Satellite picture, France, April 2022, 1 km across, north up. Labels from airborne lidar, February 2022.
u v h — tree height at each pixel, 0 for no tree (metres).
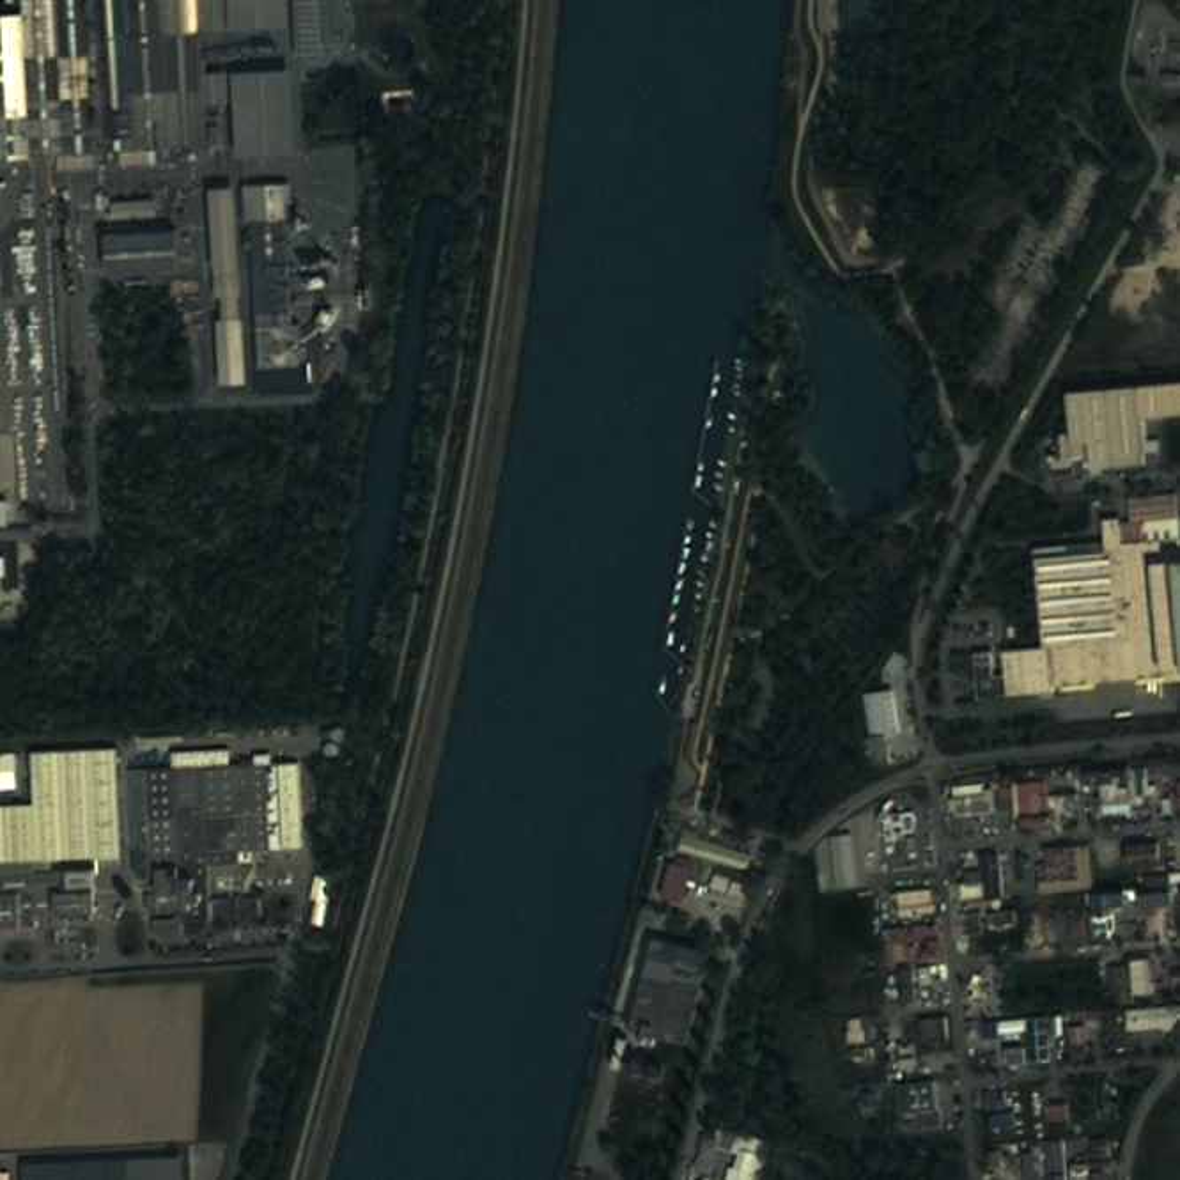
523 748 0
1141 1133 0
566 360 0
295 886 0
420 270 0
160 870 0
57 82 0
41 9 0
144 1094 0
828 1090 0
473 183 23
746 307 0
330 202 0
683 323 0
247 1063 0
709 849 0
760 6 0
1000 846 0
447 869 0
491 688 0
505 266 0
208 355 0
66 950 0
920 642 0
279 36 0
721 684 0
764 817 16
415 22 0
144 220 0
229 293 0
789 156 0
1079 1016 0
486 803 0
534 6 0
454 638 0
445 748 0
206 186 0
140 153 0
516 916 0
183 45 0
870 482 0
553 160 0
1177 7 0
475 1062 0
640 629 0
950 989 0
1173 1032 0
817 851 0
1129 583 0
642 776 0
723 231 0
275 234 0
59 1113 0
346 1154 0
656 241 0
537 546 0
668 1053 0
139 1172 0
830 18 0
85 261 0
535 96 0
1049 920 0
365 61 0
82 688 21
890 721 0
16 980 0
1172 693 0
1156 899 0
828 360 0
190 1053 0
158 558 20
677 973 0
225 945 0
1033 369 18
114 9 0
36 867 0
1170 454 0
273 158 0
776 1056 16
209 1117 0
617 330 0
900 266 0
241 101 0
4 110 0
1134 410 0
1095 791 0
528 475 0
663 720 0
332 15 0
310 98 0
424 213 0
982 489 0
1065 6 30
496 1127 0
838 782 16
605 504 0
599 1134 0
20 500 0
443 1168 0
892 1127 0
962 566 0
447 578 0
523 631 0
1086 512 0
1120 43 0
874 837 0
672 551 0
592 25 0
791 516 0
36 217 0
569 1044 0
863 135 25
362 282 0
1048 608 0
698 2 0
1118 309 0
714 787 7
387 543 0
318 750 0
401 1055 0
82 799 0
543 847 0
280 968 0
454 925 0
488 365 0
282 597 13
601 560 0
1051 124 17
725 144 0
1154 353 0
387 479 0
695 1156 0
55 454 0
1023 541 0
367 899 0
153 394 14
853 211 0
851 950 0
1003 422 19
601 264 0
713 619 0
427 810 0
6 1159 0
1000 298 0
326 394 0
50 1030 0
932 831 0
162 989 0
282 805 0
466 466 0
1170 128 0
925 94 27
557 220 0
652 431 0
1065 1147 0
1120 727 0
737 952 0
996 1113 0
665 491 0
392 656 20
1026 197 0
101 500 0
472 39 25
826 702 6
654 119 0
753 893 19
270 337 0
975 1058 0
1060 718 0
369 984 0
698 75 0
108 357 14
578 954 0
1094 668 0
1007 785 0
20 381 0
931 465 18
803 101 0
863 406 0
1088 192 0
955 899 0
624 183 0
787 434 6
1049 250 0
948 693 0
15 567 0
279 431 13
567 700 0
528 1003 0
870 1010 0
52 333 0
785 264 0
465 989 0
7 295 0
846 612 0
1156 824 0
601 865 0
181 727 12
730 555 0
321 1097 0
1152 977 0
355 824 21
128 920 0
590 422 0
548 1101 0
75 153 0
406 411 0
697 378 0
